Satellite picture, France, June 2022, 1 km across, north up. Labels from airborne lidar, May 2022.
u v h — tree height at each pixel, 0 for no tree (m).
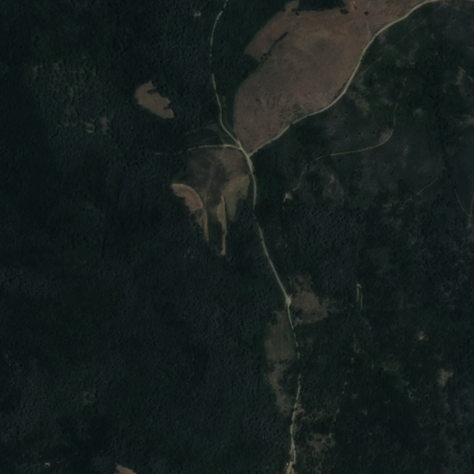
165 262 18
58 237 14
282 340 0
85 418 16
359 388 8
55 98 13
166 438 18
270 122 0
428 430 7
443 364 9
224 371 17
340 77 0
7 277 19
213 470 9
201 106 6
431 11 0
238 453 15
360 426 9
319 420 10
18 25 18
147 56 16
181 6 18
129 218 10
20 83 17
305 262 12
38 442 11
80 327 17
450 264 9
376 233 7
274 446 18
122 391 19
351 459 8
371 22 0
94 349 22
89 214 13
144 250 18
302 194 7
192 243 15
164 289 21
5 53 21
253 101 0
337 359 12
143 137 16
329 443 7
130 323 18
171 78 26
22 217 19
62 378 15
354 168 10
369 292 7
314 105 0
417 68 9
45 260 16
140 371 18
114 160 11
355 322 12
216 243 9
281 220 6
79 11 16
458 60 10
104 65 19
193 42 12
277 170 7
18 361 15
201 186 0
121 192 18
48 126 13
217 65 11
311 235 13
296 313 9
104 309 18
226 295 12
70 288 18
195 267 15
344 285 15
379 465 12
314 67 0
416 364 9
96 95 10
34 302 16
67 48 15
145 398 21
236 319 16
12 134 17
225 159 0
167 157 6
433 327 8
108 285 21
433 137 9
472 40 0
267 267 11
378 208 7
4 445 17
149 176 16
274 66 0
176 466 18
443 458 8
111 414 16
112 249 10
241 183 0
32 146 16
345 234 15
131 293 21
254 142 0
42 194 16
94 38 16
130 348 15
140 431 8
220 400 15
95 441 15
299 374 8
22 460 11
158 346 17
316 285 8
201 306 18
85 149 14
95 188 7
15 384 12
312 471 9
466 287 10
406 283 8
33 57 17
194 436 17
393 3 0
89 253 10
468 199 0
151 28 20
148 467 19
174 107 13
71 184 12
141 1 16
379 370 7
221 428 17
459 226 8
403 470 11
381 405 8
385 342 6
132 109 15
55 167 14
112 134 12
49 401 17
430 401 13
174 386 16
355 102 0
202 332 13
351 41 0
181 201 9
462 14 0
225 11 9
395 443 15
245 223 15
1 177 19
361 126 0
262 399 13
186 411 15
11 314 16
